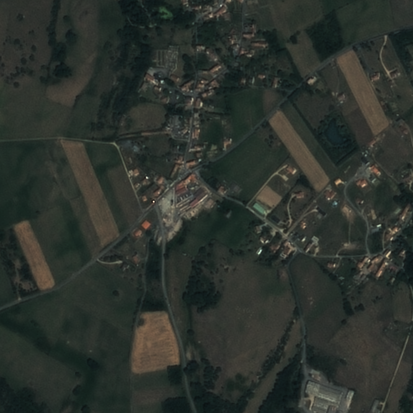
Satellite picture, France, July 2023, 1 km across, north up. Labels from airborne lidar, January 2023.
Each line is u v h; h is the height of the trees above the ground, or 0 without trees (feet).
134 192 0
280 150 0
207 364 38
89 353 0
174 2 0
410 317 0
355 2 0
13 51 0
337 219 0
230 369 0
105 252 0
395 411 0
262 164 0
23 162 0
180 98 0
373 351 0
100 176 0
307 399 0
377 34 0
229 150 0
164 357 0
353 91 0
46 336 0
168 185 0
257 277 0
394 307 0
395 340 0
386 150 0
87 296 0
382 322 0
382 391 0
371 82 0
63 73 39
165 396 0
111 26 0
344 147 21
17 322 0
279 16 0
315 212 0
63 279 0
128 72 0
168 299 0
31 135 0
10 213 0
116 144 0
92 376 0
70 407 0
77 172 0
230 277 0
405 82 0
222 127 0
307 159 0
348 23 0
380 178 0
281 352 29
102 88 0
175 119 0
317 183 0
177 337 0
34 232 0
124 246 0
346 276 0
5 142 0
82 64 0
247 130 0
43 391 0
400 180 0
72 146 0
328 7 0
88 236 0
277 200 0
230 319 0
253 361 0
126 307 0
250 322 0
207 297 45
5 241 0
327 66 0
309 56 0
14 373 0
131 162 0
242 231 0
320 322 0
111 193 0
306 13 0
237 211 0
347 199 0
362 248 0
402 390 0
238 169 0
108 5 0
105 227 0
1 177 0
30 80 0
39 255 0
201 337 0
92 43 0
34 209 0
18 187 0
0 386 42
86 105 0
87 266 0
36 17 0
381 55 0
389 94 0
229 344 0
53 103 0
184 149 38
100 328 0
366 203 0
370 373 0
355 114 0
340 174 0
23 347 0
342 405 0
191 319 0
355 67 0
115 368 0
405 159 0
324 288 0
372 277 24
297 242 0
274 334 0
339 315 0
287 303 0
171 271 0
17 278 0
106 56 0
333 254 0
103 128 0
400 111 0
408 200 22
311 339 0
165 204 0
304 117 31
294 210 0
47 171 0
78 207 0
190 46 0
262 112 0
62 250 0
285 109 0
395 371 0
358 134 0
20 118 0
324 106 0
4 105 0
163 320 0
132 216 0
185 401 44
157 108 0
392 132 0
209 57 0
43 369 0
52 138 0
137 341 0
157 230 0
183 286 0
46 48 0
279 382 43
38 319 0
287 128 0
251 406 0
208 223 0
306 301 0
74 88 0
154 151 0
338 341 0
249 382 0
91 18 0
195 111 26
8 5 0
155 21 105
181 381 32
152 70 0
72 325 0
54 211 0
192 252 0
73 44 0
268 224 0
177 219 0
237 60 46
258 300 0
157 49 0
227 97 27
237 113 0
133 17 101
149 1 47
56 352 0
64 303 0
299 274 0
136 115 0
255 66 0
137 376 0
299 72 24
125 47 19
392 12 0
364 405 0
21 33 0
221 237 0
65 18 30
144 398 0
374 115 0
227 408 28
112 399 0
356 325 0
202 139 0
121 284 0
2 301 0
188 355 0
